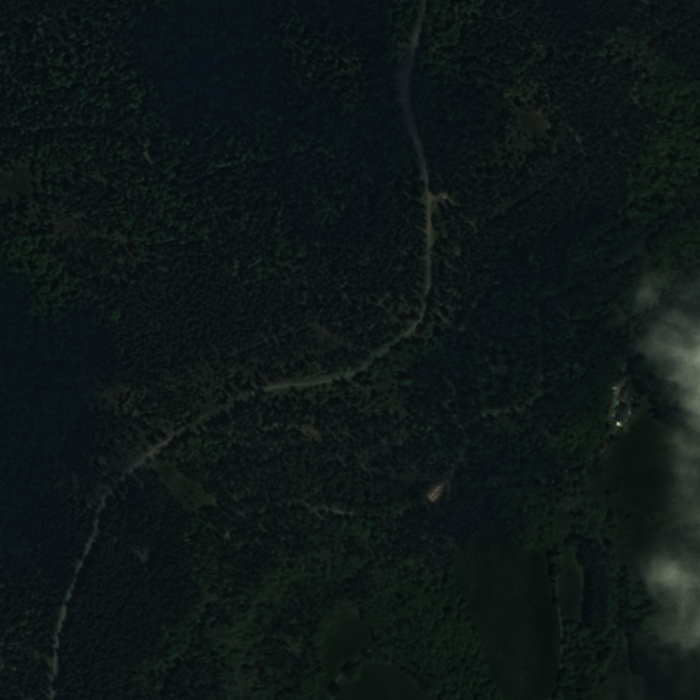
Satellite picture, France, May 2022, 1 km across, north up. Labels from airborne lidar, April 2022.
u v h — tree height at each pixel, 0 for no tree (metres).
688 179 23
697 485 0
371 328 25
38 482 18
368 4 22
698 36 28
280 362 20
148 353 22
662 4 29
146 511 25
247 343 26
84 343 18
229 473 26
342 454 28
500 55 17
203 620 17
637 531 0
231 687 19
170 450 12
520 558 0
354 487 25
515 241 23
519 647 0
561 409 25
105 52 20
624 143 27
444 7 20
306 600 26
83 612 21
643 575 0
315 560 15
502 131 21
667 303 32
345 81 19
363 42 21
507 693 0
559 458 18
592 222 25
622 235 22
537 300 20
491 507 21
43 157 22
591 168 23
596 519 18
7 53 25
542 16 19
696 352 27
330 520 25
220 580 19
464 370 38
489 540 0
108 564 16
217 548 23
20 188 0
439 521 25
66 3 22
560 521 0
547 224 21
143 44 24
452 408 34
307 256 23
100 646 20
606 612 21
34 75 24
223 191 24
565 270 22
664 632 28
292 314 23
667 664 0
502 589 0
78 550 23
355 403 16
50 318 23
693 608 9
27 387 26
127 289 25
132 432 21
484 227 22
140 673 20
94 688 24
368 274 25
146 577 21
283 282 16
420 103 19
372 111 17
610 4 24
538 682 0
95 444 20
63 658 19
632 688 0
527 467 21
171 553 23
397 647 18
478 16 13
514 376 18
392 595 17
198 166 21
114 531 20
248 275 24
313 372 7
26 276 24
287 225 25
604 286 21
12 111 27
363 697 0
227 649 10
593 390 21
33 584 20
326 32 17
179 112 19
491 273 30
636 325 21
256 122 23
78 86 25
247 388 20
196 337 17
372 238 22
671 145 21
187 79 26
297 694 23
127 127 23
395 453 26
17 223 18
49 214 20
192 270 23
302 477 30
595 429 20
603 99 28
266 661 20
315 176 23
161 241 19
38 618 20
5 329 15
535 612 0
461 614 7
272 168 20
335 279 24
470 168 25
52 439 20
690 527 19
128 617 24
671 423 27
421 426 28
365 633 0
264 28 22
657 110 19
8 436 26
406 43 21
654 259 12
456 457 24
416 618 14
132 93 21
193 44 26
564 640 8
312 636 28
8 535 17
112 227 22
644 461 0
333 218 24
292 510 24
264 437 27
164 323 24
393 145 17
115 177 19
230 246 27
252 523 24
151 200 29
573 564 0
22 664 22
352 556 22
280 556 24
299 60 17
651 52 22
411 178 24
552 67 28
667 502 0
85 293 19
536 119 0
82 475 19
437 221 19
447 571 10
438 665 16
